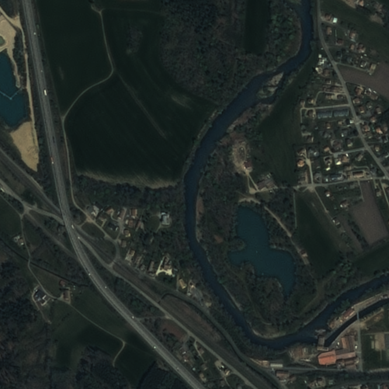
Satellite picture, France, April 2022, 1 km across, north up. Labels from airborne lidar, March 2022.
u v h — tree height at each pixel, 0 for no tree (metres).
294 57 0
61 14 0
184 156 0
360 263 0
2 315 25
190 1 26
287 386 0
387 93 0
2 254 0
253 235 0
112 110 0
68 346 0
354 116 0
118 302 0
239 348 9
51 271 13
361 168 0
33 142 0
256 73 8
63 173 0
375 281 0
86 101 0
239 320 0
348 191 0
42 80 0
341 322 0
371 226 0
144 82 0
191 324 0
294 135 0
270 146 0
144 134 0
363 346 0
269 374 0
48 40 0
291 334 0
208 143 0
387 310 0
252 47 0
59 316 0
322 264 0
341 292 12
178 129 0
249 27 0
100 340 0
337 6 0
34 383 20
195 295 0
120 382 19
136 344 0
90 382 20
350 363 0
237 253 0
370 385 6
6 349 31
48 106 0
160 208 16
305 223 0
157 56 0
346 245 0
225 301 0
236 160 0
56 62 0
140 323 0
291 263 0
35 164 0
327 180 0
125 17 0
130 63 0
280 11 21
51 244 11
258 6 0
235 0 0
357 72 0
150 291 0
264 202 15
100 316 0
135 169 0
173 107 0
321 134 0
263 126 0
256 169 0
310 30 0
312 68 0
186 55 10
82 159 0
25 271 0
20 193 0
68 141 0
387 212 0
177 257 14
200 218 0
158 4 0
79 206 0
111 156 0
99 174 0
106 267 0
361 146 0
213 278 0
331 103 0
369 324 0
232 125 0
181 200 15
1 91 0
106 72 0
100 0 0
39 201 0
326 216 0
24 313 23
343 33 0
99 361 25
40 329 0
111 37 0
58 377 29
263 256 0
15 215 0
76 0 0
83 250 0
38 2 0
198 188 0
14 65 0
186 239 11
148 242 15
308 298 0
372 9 0
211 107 0
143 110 0
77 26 0
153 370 16
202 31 18
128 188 23
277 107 0
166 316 0
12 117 0
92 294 0
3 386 23
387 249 0
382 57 0
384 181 0
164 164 0
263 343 0
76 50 0
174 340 17
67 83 0
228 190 25
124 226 0
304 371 0
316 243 0
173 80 0
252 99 0
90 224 0
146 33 0
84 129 0
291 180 0
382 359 0
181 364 0
